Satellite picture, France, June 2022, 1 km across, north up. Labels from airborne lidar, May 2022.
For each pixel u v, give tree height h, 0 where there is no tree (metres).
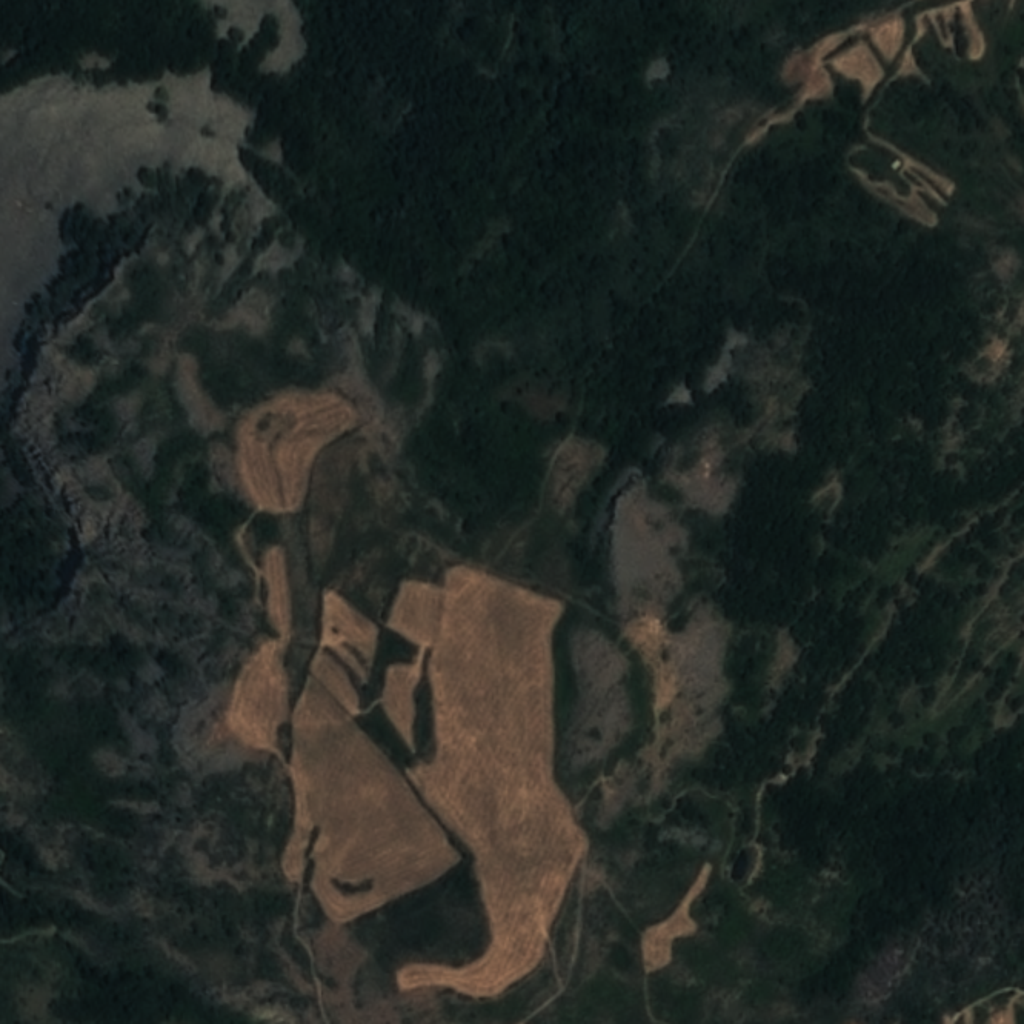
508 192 6
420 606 0
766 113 0
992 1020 0
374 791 0
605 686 0
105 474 0
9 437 8
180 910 6
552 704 0
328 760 0
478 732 0
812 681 14
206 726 0
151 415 0
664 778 0
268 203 0
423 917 0
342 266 0
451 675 0
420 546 0
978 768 12
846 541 16
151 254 0
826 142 11
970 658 7
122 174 0
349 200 8
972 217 0
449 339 7
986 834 17
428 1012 0
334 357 0
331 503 0
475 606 0
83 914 8
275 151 0
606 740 0
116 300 0
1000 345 0
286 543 0
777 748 6
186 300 0
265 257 0
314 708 0
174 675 6
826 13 7
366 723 0
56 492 6
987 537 11
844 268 8
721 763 13
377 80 17
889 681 6
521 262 6
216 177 10
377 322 9
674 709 0
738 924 0
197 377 0
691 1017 0
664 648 0
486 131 11
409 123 10
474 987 0
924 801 20
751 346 7
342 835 0
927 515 15
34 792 0
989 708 6
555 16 6
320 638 0
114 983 7
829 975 16
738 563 13
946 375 12
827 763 11
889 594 11
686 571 0
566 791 0
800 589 15
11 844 8
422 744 0
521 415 5
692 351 6
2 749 0
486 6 6
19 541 14
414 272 13
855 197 10
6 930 5
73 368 0
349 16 14
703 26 7
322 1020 0
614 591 0
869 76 0
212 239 11
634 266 10
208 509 10
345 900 0
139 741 0
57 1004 9
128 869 9
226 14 12
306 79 15
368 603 0
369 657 0
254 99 9
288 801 0
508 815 0
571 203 7
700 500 0
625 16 13
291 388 0
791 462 11
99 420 10
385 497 0
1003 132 0
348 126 7
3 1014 6
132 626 0
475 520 6
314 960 0
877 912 13
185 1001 9
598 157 7
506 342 0
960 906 12
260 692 0
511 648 0
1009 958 9
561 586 0
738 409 11
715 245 10
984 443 8
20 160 0
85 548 31
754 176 8
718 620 0
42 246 0
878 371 14
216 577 0
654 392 5
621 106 8
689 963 0
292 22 0
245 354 0
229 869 0
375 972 0
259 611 0
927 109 9
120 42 18
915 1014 6
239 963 0
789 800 12
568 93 17
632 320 6
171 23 14
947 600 12
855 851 15
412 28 14
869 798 15
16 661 6
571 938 0
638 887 0
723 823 0
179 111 0
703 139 0
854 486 10
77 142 0
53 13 17
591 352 6
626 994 0
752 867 0
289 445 0
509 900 0
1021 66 6
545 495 0
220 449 0
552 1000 0
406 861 0
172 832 0
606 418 10
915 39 0
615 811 0
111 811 10
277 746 0
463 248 8
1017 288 0
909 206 0
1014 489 10
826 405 13
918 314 6
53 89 0
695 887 0
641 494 0
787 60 0
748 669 12
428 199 8
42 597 6
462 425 9
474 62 9
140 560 0
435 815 0
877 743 13
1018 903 11
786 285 9
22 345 16
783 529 15
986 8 0
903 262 8
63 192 0
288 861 0
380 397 0
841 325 8
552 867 0
